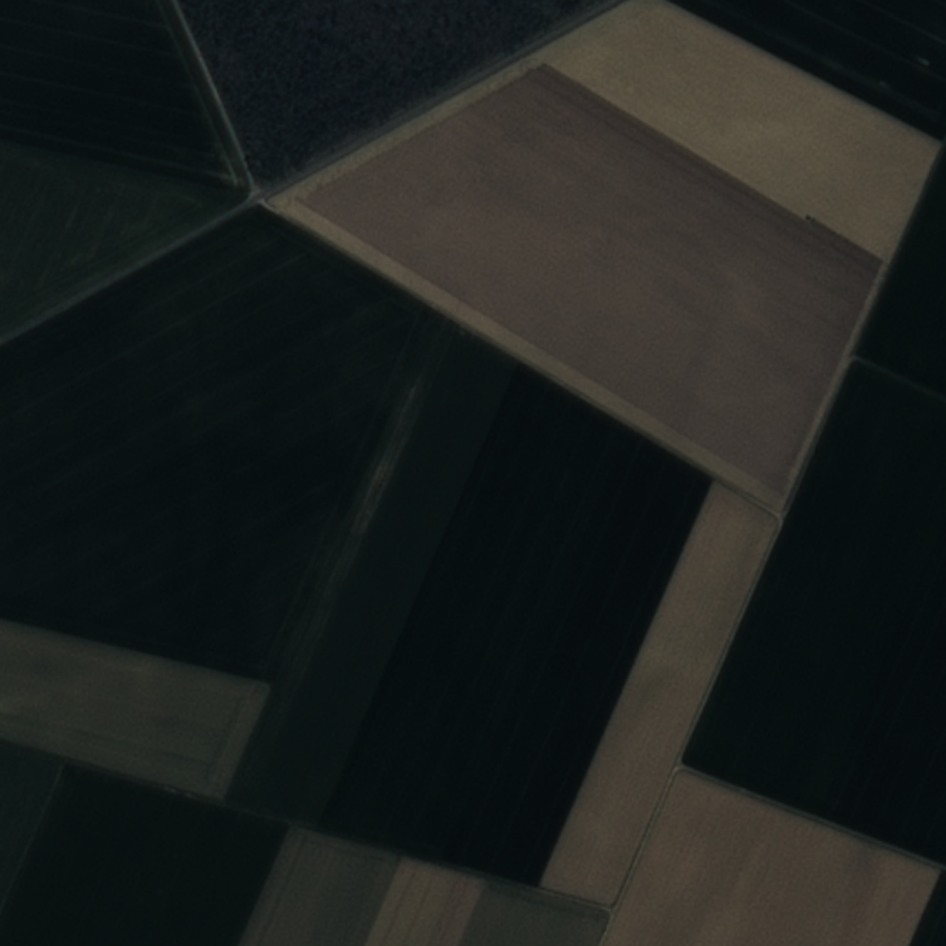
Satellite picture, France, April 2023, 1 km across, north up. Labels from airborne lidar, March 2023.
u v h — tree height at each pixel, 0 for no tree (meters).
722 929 0
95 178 0
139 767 0
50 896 0
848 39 0
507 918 0
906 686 0
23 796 0
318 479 0
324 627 0
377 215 0
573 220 0
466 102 0
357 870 0
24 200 0
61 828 0
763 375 0
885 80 0
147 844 0
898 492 0
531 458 0
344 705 0
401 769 0
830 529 0
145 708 0
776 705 0
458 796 0
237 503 0
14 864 0
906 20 0
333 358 0
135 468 0
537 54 0
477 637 0
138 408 0
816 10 0
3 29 0
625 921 0
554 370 0
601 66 0
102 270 0
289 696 0
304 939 0
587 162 0
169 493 0
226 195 0
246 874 0
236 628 0
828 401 0
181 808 0
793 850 0
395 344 0
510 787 0
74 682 0
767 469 0
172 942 0
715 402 0
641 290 0
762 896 0
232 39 11
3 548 0
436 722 0
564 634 0
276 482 0
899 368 0
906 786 0
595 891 0
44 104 0
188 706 0
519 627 0
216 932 0
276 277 0
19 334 0
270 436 0
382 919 0
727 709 0
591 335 0
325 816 0
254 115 12
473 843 0
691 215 0
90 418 0
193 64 0
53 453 0
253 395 0
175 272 0
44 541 0
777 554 0
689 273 0
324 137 10
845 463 0
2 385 0
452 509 0
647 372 0
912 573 0
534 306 0
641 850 0
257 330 0
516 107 0
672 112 0
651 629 0
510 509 0
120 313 0
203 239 0
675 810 0
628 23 0
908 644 0
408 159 0
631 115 0
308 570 0
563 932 0
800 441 0
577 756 0
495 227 0
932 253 0
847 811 0
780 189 0
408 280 0
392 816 0
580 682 0
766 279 0
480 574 0
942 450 0
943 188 0
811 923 0
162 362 0
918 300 0
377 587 0
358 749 0
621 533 0
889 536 0
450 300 0
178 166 0
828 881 0
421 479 0
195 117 0
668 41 0
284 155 12
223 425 0
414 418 0
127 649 0
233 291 0
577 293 0
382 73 10
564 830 0
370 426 0
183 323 0
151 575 0
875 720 0
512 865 0
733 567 0
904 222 0
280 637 0
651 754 0
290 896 0
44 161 0
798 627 0
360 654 0
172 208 0
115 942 0
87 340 0
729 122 0
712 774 0
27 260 0
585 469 0
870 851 0
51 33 0
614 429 0
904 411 0
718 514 0
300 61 12
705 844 0
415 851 0
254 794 0
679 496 0
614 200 0
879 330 0
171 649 0
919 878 0
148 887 0
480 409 0
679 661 0
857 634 0
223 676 0
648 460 0
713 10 0
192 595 0
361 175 0
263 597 0
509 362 0
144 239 0
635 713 0
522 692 0
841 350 0
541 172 0
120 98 0
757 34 0
